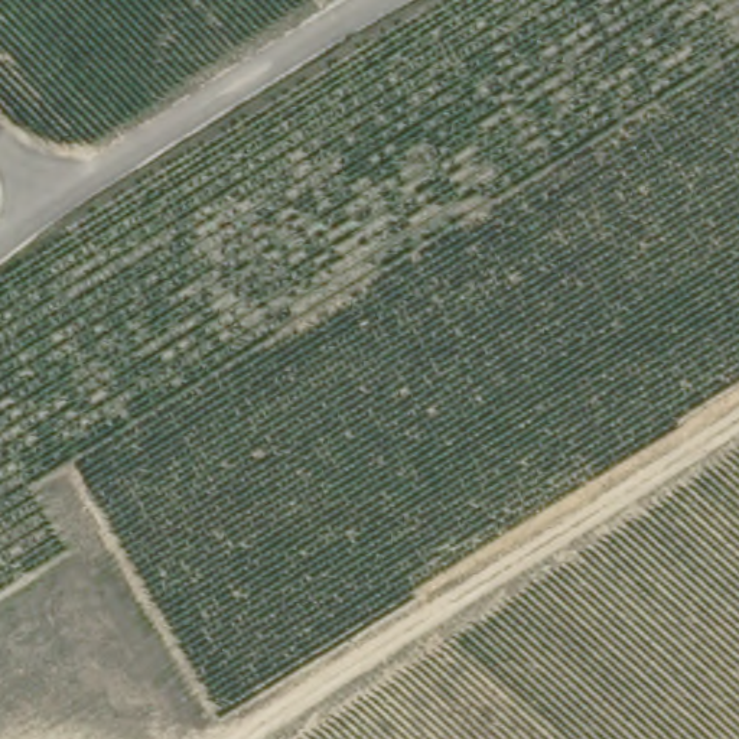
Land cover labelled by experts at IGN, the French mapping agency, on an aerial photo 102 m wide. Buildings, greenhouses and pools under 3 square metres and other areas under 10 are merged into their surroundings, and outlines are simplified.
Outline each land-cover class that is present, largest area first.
<instances>
[{"label":"vineyard","instance_id":"1","mask_svg":"<svg viewBox=\"0 0 739 739\"><path fill-rule=\"evenodd\" d=\"M315 12V0H0V113L9 115L17 127L49 141L95 144L101 139H110L118 127L141 121L150 113L173 104L179 95L196 92L199 84L217 66L240 64L245 40L263 35L266 40H271L283 35V29H294L303 17ZM739 384V0H407L398 9L372 20L370 26L344 35L318 58L306 61L297 72L240 101L231 113H225L205 130L182 139L176 147H170L150 165L115 179L113 185L92 193L87 202L69 208L43 237H38L26 251L0 266V603H6L29 583L46 577L61 560L75 554L72 546L64 548V540L55 534L43 505L32 497V482L43 476L49 482H69L84 514H89V520L95 522V531L110 557L115 560L121 577L127 580L133 598L141 603L144 615L156 626L167 655L173 658L182 681L202 707L208 725H219L225 716L245 719L254 710L271 704L289 687L309 675L306 664L352 641L361 629L381 621L393 609L410 603L419 586L447 572L459 560L471 557L473 551L485 548L499 534L531 520L543 508L574 494L609 468L635 456L638 450L650 447L652 442L664 439L678 427V421L687 413ZM274 739H739V436L710 450L701 462L687 465L670 479L658 482L652 491L609 514L603 522L592 525L563 548H554L551 557H543L508 583L494 586L473 603L453 612L447 621L430 626L427 632L401 644L395 652H390L370 670L344 681L329 696L300 710Z\"/></svg>","mask_w":739,"mask_h":739},{"label":"herbaceous vegetation","instance_id":"2","mask_svg":"<svg viewBox=\"0 0 739 739\"><path fill-rule=\"evenodd\" d=\"M32 497L43 505L55 534L64 540V548L72 546L75 554L61 560L46 577L29 583L6 603H0V739H214L208 733V725L202 707L182 681L173 658L167 655L156 626L144 615L141 603L133 598L127 580L121 577L115 560L110 557L95 531V522L89 520V514H84L69 482H49L43 476L32 482Z\"/></svg>","mask_w":739,"mask_h":739},{"label":"pervious surface","instance_id":"3","mask_svg":"<svg viewBox=\"0 0 739 739\"><path fill-rule=\"evenodd\" d=\"M739 436V384L687 413L678 421V427L664 439L652 442L650 447L638 450L635 456L609 468L574 494L543 508L531 520L499 534L485 548L473 551L471 557L459 560L447 572L419 586L410 603L393 609L381 621L361 629L352 641L306 664L309 675L289 687L271 704L254 710L245 719L225 716L219 725H208V733L214 739H274L300 710L329 696L344 681L370 670L390 652H395L401 644L427 632L430 626L447 621L453 612L473 603L494 586L508 583L543 557H551L554 548H563L592 525L603 522L609 514L652 491L658 482L670 479L687 465L701 462L710 450Z\"/></svg>","mask_w":739,"mask_h":739},{"label":"impervious surface","instance_id":"4","mask_svg":"<svg viewBox=\"0 0 739 739\"><path fill-rule=\"evenodd\" d=\"M407 0H315V12L303 17L294 29H283V35L271 40H266L263 35L245 40L240 64L217 66L199 84L196 92L179 95L173 104L150 113L141 121L118 127L110 139H101L95 144L49 141L17 127L9 115L0 113V266L26 251L38 237H43L69 208L87 202L92 193L113 185L115 179L150 165L170 147H176L182 139L205 130L225 113H231L240 101L297 72L306 61L318 58L344 35L370 26L372 20L398 9Z\"/></svg>","mask_w":739,"mask_h":739}]
</instances>
